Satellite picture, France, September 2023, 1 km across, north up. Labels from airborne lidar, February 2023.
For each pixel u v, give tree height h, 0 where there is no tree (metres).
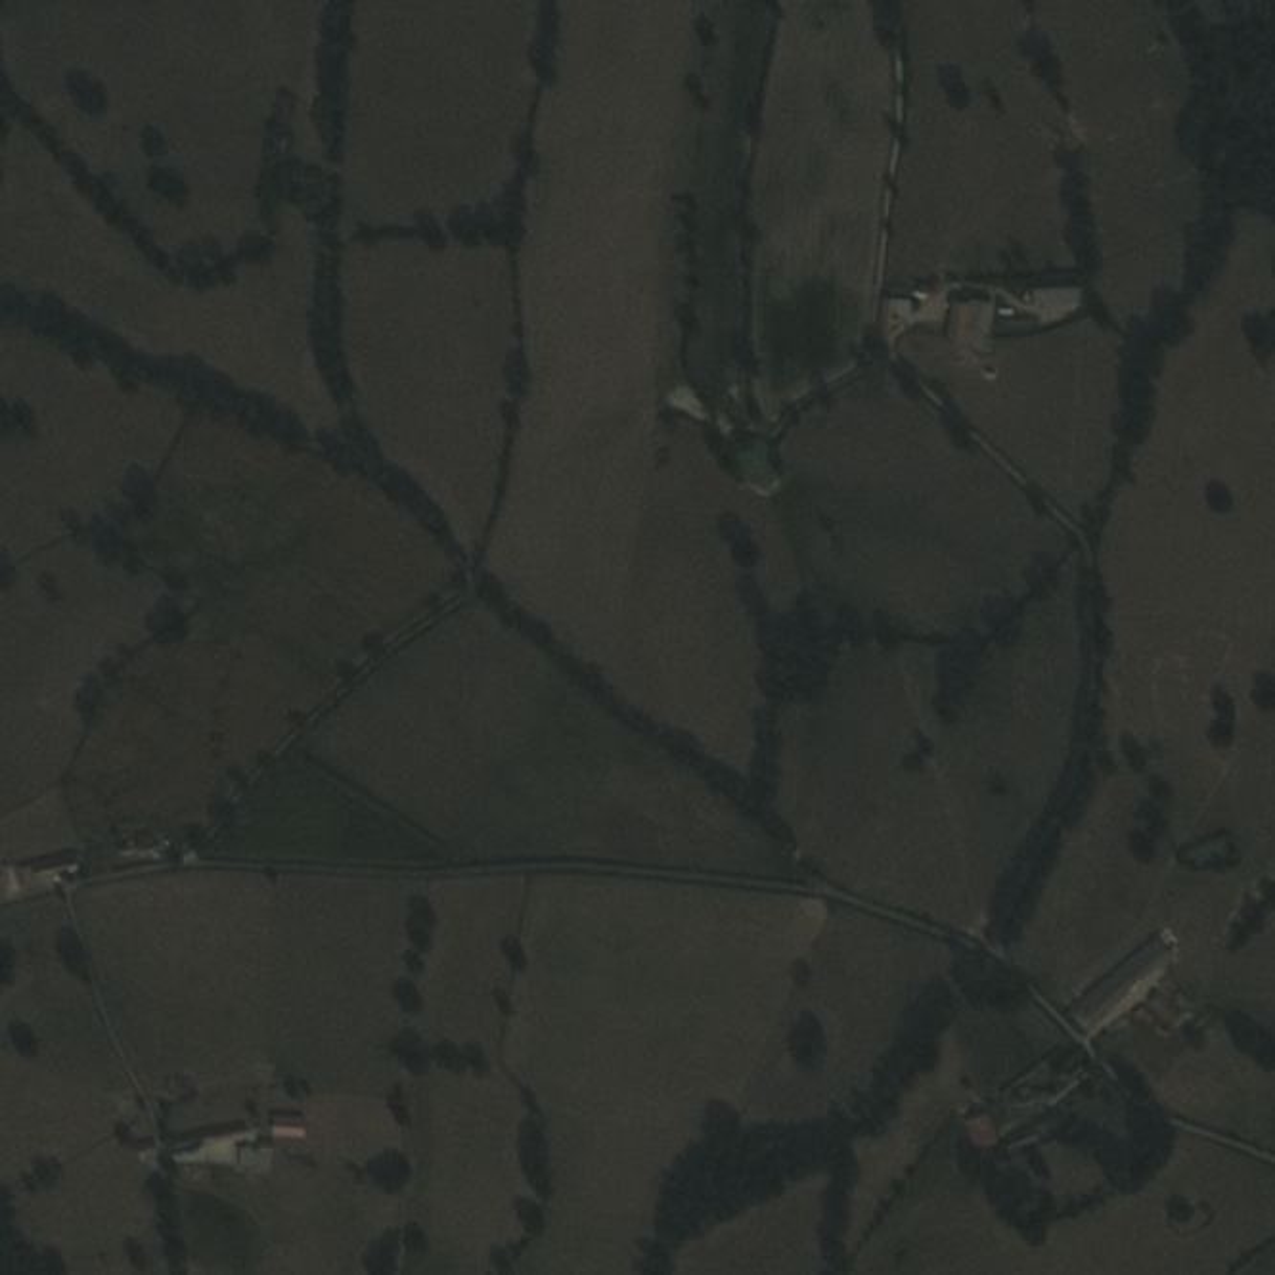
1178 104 0
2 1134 0
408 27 0
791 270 0
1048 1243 0
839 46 0
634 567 0
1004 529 0
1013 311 0
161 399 0
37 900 0
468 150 0
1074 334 0
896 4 18
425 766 0
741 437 15
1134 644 0
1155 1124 20
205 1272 0
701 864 0
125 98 0
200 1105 0
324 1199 0
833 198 0
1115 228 0
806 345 0
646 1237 0
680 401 0
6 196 0
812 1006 0
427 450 0
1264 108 7
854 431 0
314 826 0
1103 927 0
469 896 0
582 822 0
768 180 0
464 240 13
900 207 0
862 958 0
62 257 0
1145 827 17
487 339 0
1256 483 0
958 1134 0
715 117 0
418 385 0
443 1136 0
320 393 0
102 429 0
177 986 0
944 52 0
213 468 0
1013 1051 0
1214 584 0
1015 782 0
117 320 0
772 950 0
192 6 0
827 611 0
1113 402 0
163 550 0
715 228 0
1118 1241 0
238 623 0
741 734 0
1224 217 20
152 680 0
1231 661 0
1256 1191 0
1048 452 0
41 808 0
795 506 0
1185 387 0
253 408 14
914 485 0
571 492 0
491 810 0
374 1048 0
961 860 0
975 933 0
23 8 0
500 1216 0
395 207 0
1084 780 16
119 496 0
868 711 0
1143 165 0
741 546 27
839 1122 14
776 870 0
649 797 0
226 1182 0
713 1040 0
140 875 0
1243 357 0
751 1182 21
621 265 0
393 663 0
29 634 0
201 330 0
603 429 0
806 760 0
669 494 0
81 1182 0
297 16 0
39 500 0
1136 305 0
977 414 0
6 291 0
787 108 0
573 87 0
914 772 8
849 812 0
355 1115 0
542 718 0
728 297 0
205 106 0
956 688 20
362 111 0
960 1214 0
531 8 0
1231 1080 0
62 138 0
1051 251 0
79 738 0
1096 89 0
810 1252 0
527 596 0
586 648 0
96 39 0
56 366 0
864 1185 0
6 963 17
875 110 0
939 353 0
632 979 0
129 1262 16
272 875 6
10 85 14
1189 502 0
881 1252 0
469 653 0
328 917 0
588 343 0
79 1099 0
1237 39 16
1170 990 0
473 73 0
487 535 0
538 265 0
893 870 0
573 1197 0
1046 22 0
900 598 0
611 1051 0
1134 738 0
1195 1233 0
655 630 0
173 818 0
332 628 0
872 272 0
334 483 0
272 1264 0
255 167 0
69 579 0
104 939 0
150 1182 0
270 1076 0
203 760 0
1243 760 0
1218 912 0
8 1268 21
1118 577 0
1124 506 0
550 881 0
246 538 0
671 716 0
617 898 0
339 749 0
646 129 0
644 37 0
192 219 0
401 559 0
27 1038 17
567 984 0
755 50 0
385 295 0
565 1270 0
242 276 0
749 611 16
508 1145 0
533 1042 0
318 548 0
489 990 0
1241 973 0
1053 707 0
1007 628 22
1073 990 0
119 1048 0
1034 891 13
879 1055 0
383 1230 0
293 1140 0
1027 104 0
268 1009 0
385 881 0
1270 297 0
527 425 0
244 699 0
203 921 0
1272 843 0
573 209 0
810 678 23
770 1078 0
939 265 0
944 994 17
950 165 0
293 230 0
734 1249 0
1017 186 0
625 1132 0
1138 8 0
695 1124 0
